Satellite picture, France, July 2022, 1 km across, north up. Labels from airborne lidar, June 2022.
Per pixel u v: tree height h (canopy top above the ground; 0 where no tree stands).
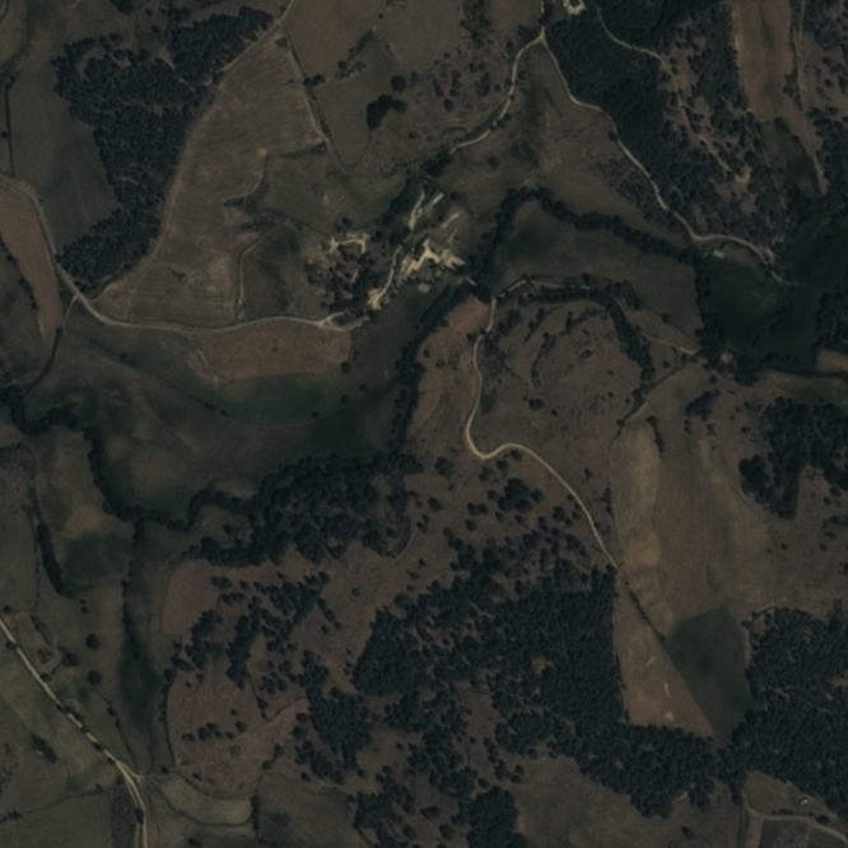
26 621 0
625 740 15
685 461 0
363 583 0
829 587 0
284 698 0
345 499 17
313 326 0
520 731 18
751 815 0
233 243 0
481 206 0
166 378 0
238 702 0
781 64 0
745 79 0
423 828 0
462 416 0
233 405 0
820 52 0
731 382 0
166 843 0
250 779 0
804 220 15
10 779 0
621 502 0
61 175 0
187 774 0
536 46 0
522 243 0
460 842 0
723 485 0
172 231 0
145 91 22
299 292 0
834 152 13
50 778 0
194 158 0
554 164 0
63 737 0
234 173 0
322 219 0
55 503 0
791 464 15
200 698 0
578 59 10
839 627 11
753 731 22
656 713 0
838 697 16
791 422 13
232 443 0
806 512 0
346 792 0
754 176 11
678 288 0
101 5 0
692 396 0
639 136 7
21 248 0
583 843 0
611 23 9
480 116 0
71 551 0
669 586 0
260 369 0
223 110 0
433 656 22
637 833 0
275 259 0
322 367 0
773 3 0
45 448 0
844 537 0
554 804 0
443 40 0
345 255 8
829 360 0
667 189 10
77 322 0
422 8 0
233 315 0
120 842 0
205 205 0
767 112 0
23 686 0
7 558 0
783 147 0
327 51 0
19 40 0
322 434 0
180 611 0
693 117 8
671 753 17
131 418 0
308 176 0
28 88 0
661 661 0
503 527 0
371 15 0
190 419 0
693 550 0
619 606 0
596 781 11
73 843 0
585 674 20
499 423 0
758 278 0
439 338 0
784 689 14
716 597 0
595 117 0
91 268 14
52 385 0
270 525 11
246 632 21
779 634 17
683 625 0
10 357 0
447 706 14
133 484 0
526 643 13
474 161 0
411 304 0
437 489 0
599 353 0
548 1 7
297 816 0
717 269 0
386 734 0
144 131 17
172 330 0
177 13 14
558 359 0
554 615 21
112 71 15
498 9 0
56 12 0
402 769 0
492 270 8
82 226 0
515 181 0
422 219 0
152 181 18
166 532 0
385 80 0
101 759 0
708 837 0
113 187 15
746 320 0
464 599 19
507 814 22
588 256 0
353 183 0
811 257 0
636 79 9
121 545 0
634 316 0
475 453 0
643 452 0
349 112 0
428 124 0
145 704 0
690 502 0
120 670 0
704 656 0
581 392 0
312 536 18
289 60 0
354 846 0
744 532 0
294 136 0
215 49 16
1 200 0
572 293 10
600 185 0
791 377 0
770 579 0
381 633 13
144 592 0
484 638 13
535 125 0
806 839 0
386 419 0
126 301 0
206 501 8
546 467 0
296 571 0
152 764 0
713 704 0
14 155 0
